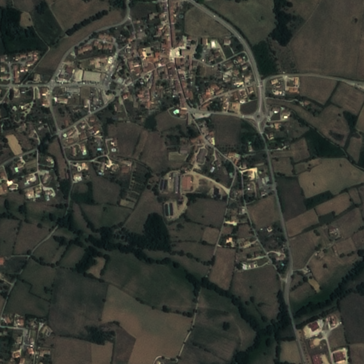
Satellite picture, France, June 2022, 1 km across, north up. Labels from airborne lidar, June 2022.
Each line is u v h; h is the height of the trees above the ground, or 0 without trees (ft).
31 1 0
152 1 41
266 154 32
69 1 0
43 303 0
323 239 0
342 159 0
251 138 23
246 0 34
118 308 0
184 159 0
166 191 0
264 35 0
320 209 0
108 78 0
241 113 0
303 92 0
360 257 47
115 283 0
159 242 43
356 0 0
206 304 0
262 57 32
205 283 56
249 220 21
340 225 0
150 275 0
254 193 20
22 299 0
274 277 0
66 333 0
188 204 30
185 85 0
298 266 0
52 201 0
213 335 0
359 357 0
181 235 0
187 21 0
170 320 0
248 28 0
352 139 0
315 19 0
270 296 0
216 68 0
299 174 0
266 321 58
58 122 0
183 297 0
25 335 0
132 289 0
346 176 0
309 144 0
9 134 0
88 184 27
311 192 0
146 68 0
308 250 0
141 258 97
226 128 0
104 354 0
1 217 46
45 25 0
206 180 0
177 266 80
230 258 0
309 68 0
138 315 0
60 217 0
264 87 0
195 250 0
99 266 0
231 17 0
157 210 0
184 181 0
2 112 0
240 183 21
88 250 27
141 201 0
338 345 0
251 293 0
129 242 60
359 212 0
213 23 0
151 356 0
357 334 0
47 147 74
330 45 0
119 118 0
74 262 0
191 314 49
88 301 0
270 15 0
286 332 0
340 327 0
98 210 0
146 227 48
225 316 0
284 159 0
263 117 0
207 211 0
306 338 0
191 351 0
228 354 0
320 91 0
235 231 33
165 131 0
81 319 0
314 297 0
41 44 0
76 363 0
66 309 0
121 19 0
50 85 0
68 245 60
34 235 0
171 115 0
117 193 0
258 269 0
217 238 0
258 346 39
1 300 0
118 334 0
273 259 20
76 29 78
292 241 0
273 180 0
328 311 23
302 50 0
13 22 33
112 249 64
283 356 0
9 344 25
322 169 0
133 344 0
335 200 0
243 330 0
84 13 0
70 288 0
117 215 0
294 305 0
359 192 0
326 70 0
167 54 0
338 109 0
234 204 36
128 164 0
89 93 0
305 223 0
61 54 0
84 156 0
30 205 0
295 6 0
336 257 0
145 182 26
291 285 0
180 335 0
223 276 0
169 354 0
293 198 0
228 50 0
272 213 0
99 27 0
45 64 0
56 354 0
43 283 0
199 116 0
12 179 29
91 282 0
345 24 0
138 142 0
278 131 0
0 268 0
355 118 31
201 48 48
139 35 0
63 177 0
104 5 0
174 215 0
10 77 0
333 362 0
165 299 0
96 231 34
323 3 0
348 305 0
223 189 0
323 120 0
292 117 29
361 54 0
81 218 0
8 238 0
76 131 0
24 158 26
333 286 0
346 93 0
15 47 0
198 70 29
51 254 0
